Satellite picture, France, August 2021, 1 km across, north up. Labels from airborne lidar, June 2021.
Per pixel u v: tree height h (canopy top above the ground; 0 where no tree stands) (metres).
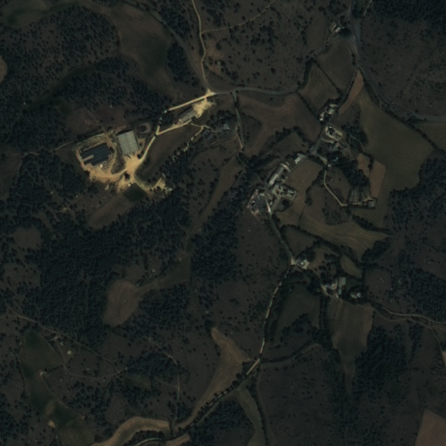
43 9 0
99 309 13
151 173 0
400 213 5
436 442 0
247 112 0
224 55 0
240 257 0
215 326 0
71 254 6
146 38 0
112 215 0
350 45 0
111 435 6
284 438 0
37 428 0
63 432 0
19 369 7
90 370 0
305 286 9
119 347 0
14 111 18
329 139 0
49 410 0
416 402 0
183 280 0
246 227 0
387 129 0
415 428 0
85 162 0
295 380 0
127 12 0
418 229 0
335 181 0
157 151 0
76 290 13
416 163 0
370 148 0
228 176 0
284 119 0
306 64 8
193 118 10
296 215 0
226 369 0
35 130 10
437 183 8
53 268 18
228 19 0
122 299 0
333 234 0
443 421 0
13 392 0
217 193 0
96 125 0
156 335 14
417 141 0
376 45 0
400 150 0
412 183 0
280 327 0
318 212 0
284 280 9
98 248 16
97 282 12
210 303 12
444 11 6
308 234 8
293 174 0
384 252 8
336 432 0
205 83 0
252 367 0
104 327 9
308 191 7
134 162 0
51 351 0
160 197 0
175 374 10
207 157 0
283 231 10
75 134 0
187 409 7
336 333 0
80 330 6
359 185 9
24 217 12
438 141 0
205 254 10
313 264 0
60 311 12
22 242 0
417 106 0
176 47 13
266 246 0
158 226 17
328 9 10
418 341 7
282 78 0
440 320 12
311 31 0
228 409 6
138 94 12
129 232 6
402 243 0
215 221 10
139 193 0
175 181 13
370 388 9
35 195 14
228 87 0
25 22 0
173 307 12
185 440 0
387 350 8
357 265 9
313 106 0
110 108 0
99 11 0
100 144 0
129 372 9
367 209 6
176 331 8
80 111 0
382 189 0
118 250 17
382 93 0
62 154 0
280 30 0
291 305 0
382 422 0
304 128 0
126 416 6
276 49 0
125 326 0
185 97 0
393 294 9
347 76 0
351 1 0
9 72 8
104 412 8
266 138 0
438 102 0
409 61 0
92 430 0
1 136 9
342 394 8
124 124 0
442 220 0
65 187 11
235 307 0
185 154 13
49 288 14
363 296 11
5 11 0
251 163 11
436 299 13
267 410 0
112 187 0
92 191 14
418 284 10
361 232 0
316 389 0
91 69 0
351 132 11
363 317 0
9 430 10
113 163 0
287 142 0
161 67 0
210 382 0
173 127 0
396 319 0
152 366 12
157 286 0
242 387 0
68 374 0
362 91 0
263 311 6
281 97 0
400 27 0
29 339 0
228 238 12
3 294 9
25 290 10
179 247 13
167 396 0
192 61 0
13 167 0
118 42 7
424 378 0
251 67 0
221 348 0
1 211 15
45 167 12
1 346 6
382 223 0
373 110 0
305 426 0
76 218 7
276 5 0
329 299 9
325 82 0
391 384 0
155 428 0
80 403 7
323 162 7
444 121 0
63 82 0
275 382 0
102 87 10
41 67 12
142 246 10
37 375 0
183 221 7
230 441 0
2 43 7
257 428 0
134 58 0
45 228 14
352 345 0
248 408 0
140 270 0
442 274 0
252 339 0
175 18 14
